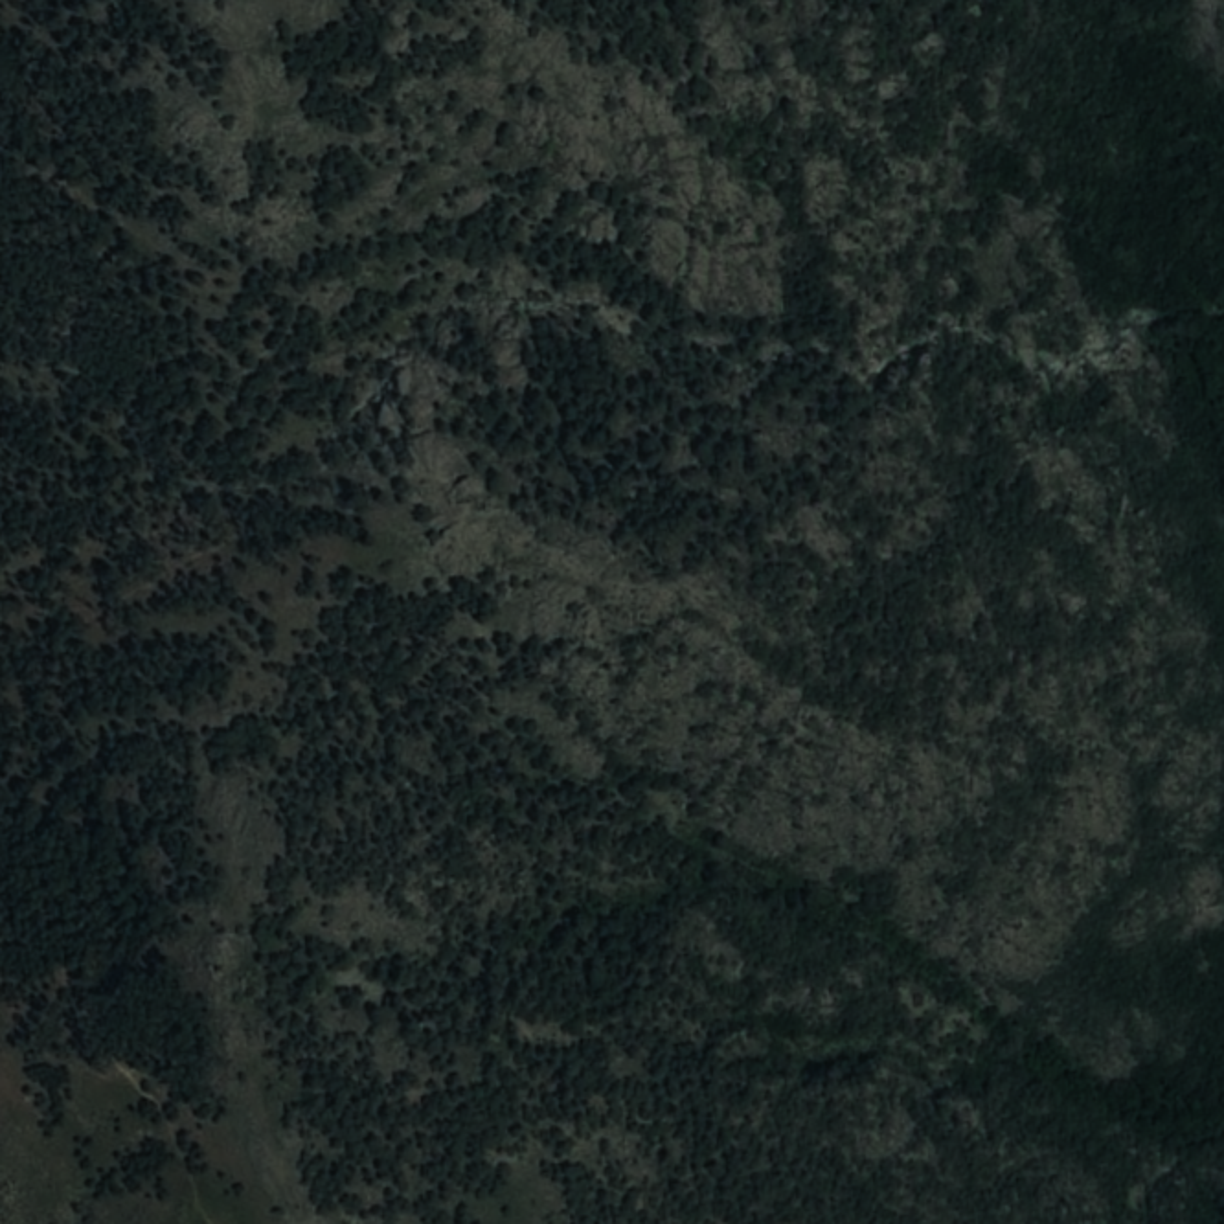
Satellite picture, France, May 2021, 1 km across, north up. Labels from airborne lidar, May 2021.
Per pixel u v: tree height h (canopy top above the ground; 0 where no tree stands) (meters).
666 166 0
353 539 7
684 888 27
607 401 21
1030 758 7
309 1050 18
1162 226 15
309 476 25
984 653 9
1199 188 27
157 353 31
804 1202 12
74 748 25
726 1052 7
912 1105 7
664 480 25
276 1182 0
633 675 10
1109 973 10
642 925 19
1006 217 10
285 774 23
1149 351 9
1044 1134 11
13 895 22
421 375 0
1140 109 12
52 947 19
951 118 16
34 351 29
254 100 0
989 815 8
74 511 22
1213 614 9
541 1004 10
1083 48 11
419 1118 23
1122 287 16
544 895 25
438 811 19
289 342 27
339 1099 28
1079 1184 6
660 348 16
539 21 14
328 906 12
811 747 10
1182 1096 17
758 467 23
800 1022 10
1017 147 12
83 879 33
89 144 29
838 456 9
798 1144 9
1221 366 20
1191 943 7
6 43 10
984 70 14
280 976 21
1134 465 10
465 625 0
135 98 23
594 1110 11
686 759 9
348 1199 19
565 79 0
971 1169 11
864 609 18
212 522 34
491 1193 15
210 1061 29
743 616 8
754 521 18
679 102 8
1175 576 8
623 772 17
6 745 17
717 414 21
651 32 25
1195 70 10
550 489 20
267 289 22
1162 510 13
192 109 0
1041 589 7
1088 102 14
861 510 12
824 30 8
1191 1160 6
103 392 30
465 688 10
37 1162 0
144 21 22
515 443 26
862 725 8
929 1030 10
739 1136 14
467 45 21
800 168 18
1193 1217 10
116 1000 30
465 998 23
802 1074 8
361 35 22
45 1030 35
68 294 29
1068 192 10
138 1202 0
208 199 10
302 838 8
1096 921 8
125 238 24
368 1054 11
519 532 0
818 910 7
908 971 10
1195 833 7
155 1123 10
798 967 14
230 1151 0
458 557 0
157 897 28
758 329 24
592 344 30
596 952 20
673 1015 18
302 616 0
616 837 9
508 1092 16
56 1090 14
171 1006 34
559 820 16
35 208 29
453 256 24
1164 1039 5
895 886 8
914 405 11
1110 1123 8
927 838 8
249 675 6
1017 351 10
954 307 12
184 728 15
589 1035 10
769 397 15
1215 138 16
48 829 24
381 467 15
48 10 9
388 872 9
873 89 7
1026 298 7
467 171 0
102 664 25
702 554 17
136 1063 28
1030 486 11
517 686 17
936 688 13
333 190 26
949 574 7
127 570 34
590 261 27
